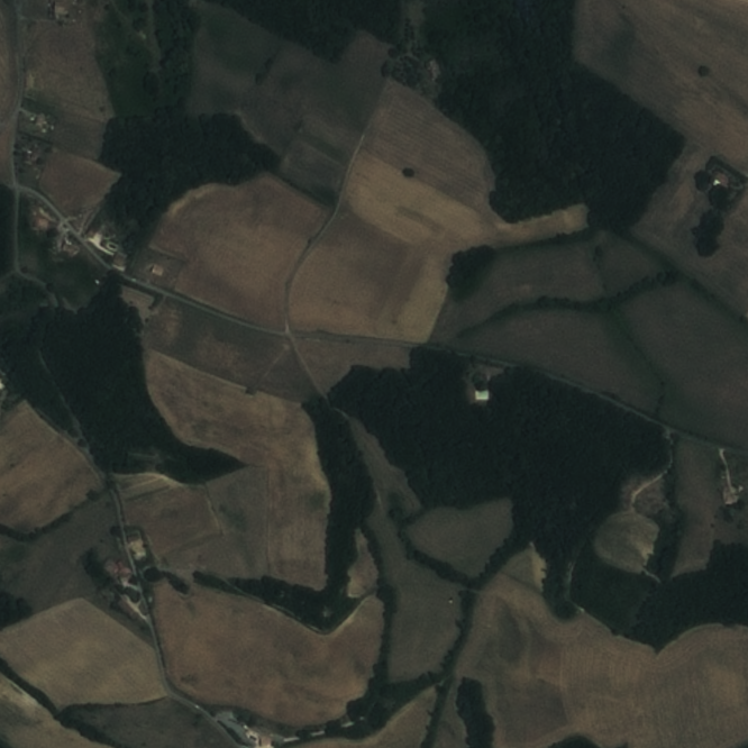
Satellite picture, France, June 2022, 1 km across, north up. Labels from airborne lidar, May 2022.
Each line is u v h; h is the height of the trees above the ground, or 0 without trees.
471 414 17
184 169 14
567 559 14
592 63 0
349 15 8
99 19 0
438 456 18
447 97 13
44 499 0
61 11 0
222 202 0
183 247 0
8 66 0
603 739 0
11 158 0
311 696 0
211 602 0
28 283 6
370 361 0
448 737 0
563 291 0
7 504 0
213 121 14
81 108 0
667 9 0
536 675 0
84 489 0
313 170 0
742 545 8
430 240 0
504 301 0
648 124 18
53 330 14
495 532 0
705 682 0
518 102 9
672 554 15
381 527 0
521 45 20
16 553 0
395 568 0
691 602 19
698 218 0
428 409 13
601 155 21
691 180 0
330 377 0
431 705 0
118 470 19
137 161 19
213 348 0
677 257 0
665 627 17
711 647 0
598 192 18
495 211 9
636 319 0
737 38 0
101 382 14
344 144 0
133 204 13
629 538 0
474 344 0
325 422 16
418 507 0
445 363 15
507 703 0
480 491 20
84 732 16
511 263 0
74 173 0
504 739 0
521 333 0
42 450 0
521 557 0
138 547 0
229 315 0
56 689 0
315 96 0
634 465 19
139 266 0
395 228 0
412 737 0
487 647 0
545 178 15
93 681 0
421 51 7
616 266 0
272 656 0
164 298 0
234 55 0
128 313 9
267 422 0
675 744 0
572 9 9
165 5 15
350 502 12
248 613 0
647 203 11
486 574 9
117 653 0
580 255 0
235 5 9
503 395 21
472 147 0
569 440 17
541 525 12
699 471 0
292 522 0
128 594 11
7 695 0
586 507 20
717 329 0
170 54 13
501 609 0
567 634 0
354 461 16
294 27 9
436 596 0
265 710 0
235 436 0
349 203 0
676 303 0
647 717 0
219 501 0
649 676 0
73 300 0
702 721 0
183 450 7
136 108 0
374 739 0
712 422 0
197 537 0
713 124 0
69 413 15
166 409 0
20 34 0
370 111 0
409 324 0
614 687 0
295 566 0
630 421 10
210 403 0
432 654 0
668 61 0
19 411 0
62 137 0
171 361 0
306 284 0
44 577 0
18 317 0
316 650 0
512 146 9
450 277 12
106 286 9
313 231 0
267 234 0
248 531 0
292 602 12
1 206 16
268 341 0
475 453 19
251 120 0
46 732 0
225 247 0
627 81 0
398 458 14
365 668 0
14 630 0
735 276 0
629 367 0
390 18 13
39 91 0
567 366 0
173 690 0
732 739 0
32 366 17
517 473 20
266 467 0
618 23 0
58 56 0
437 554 0
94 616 0
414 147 0
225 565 0
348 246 0
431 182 0
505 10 9
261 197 0
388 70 12
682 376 0
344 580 11
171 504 0
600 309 5
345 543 12
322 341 0
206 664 0
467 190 0
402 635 0
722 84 0
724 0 0
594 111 17
